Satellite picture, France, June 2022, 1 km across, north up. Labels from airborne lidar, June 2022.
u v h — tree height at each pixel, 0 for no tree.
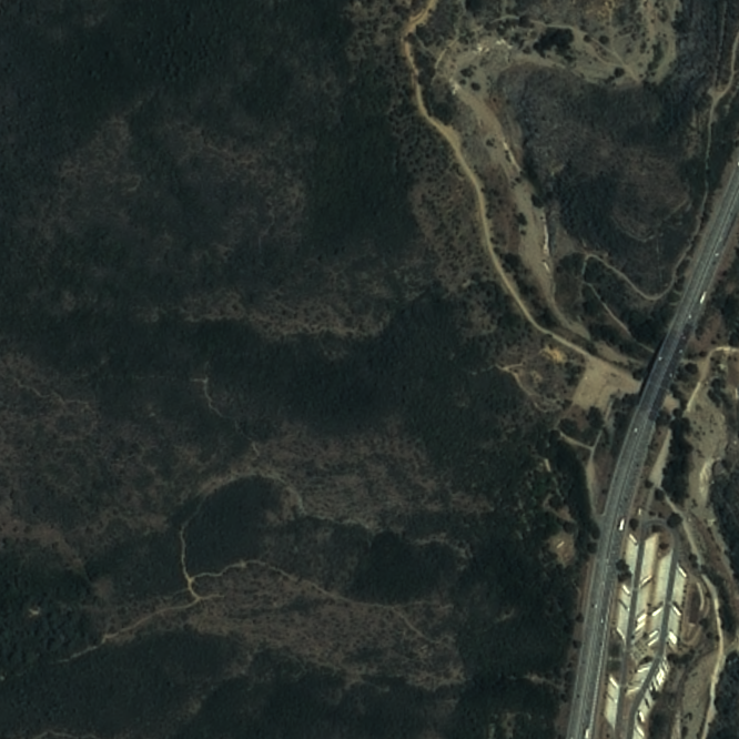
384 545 10
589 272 13
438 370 8
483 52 0
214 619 0
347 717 7
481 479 6
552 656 8
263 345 5
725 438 0
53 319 8
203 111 6
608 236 11
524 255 0
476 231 6
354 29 11
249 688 7
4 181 7
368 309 7
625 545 0
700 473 0
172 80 11
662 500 12
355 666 0
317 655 0
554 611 12
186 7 8
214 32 8
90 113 7
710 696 0
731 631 8
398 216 9
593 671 0
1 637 15
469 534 6
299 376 8
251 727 8
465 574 9
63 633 17
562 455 12
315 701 6
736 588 0
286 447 0
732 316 13
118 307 8
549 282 0
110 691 6
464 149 0
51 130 6
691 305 0
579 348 0
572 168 8
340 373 8
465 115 0
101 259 9
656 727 6
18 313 7
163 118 6
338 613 0
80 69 7
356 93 10
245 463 0
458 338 8
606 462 0
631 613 0
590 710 0
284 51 8
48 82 6
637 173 0
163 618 0
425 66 14
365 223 8
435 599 0
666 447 0
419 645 0
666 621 0
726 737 7
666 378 0
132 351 7
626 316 13
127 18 6
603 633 0
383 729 8
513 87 0
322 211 11
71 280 8
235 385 6
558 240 0
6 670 8
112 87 7
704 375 0
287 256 6
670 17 0
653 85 11
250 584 0
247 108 6
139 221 6
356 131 10
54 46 7
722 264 0
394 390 6
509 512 8
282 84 6
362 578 8
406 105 12
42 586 8
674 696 7
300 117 6
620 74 15
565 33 15
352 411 9
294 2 9
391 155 11
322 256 9
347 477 0
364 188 9
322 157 9
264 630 0
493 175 0
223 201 6
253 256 6
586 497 17
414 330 7
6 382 6
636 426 0
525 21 16
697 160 6
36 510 8
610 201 8
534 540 11
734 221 0
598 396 0
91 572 8
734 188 0
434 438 7
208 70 11
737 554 12
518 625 7
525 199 0
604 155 0
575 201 14
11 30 5
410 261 0
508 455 10
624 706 0
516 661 9
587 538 20
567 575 7
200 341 9
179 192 8
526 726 9
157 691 6
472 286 8
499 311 16
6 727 5
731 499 11
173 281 14
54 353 7
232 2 7
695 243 8
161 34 7
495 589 10
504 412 13
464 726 11
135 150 7
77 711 11
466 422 9
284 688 10
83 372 9
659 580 0
